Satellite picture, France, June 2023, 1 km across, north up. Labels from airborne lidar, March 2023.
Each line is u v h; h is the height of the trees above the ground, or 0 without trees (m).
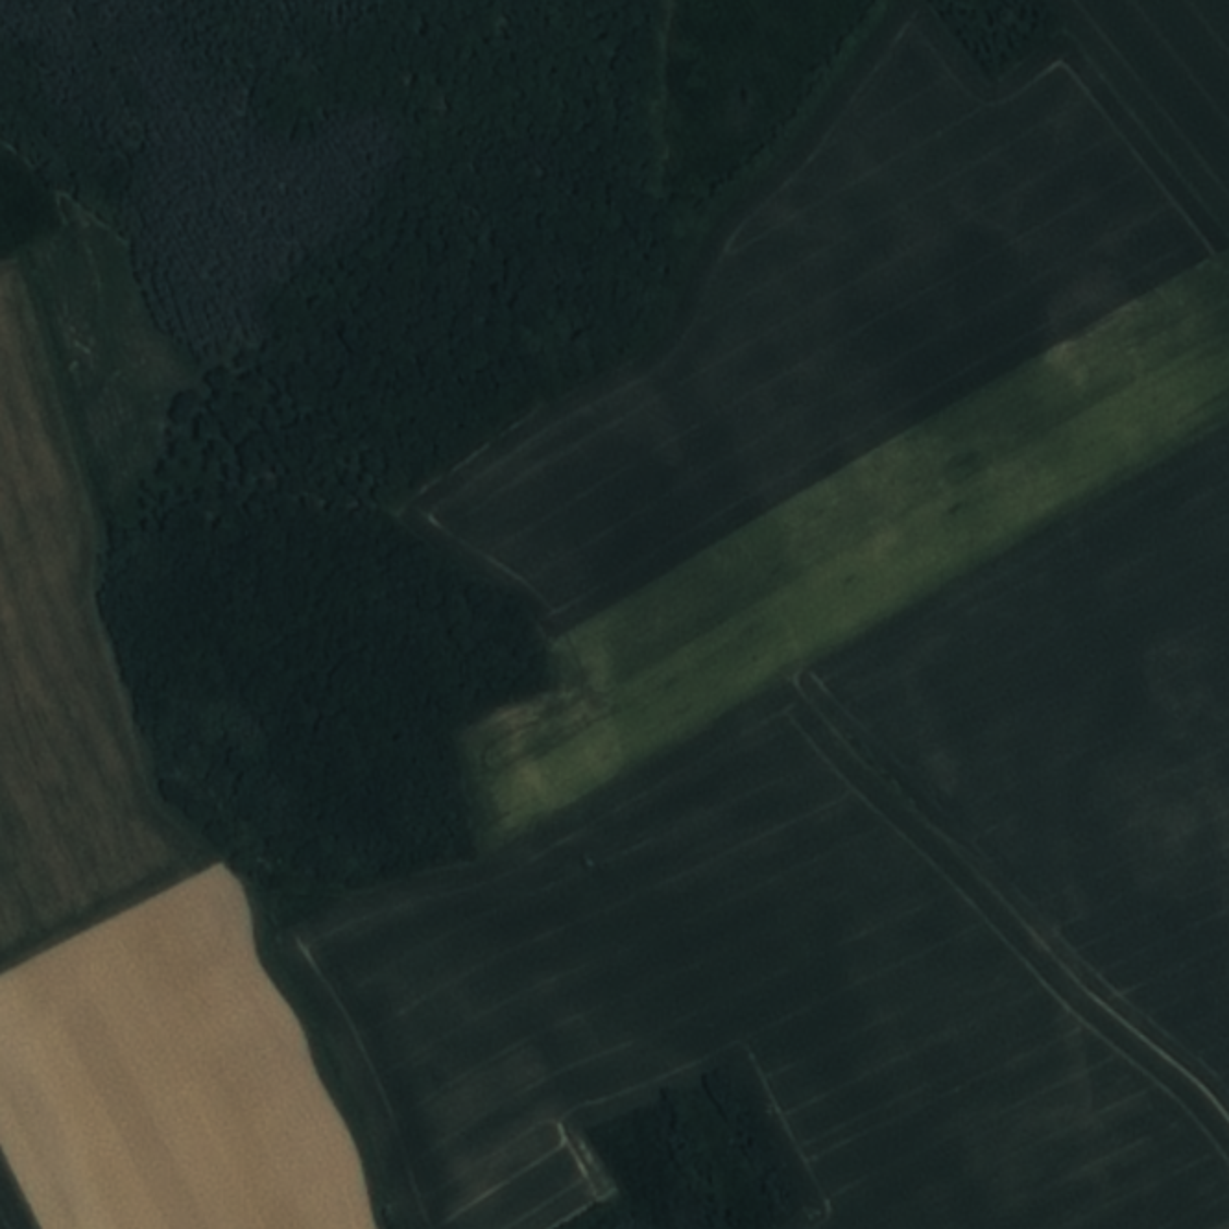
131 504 0
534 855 0
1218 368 0
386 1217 9
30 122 18
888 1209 0
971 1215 0
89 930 0
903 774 0
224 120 18
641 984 0
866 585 0
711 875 0
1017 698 0
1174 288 0
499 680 24
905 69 0
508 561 0
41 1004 0
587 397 0
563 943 0
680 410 0
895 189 0
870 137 0
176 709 16
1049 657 0
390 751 18
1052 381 0
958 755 0
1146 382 0
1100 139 0
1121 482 0
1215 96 0
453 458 21
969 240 0
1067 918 0
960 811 0
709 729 0
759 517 0
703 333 0
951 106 0
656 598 0
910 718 0
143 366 0
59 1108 0
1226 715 0
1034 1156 0
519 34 19
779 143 15
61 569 0
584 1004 0
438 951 0
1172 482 0
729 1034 0
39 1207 0
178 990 0
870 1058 0
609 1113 0
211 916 0
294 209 19
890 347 0
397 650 22
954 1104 0
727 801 0
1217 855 0
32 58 20
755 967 0
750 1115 18
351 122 17
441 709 22
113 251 0
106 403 0
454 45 23
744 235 0
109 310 0
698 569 0
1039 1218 0
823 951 0
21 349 0
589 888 0
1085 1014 0
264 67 17
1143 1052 0
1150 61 0
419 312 21
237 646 20
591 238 26
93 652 0
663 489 0
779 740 0
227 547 13
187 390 0
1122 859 0
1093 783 0
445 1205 0
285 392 26
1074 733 0
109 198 19
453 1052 0
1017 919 0
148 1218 0
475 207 25
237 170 16
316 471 25
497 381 25
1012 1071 0
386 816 20
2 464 0
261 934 0
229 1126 0
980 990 0
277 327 21
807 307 0
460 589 19
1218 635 0
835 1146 0
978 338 0
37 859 0
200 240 18
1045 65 0
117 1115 0
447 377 26
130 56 15
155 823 0
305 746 23
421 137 17
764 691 0
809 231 0
